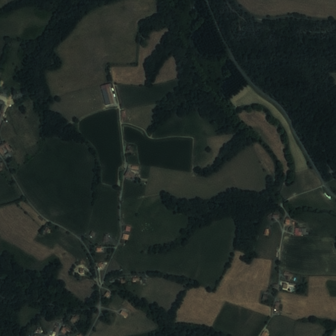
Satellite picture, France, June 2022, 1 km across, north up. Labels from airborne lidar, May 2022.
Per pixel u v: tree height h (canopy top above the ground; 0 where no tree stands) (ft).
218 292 0
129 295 38
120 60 0
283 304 0
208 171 72
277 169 47
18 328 31
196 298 0
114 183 0
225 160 59
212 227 0
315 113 56
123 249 0
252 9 0
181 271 0
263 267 0
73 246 0
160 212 0
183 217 0
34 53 88
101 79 0
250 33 52
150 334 41
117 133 0
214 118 67
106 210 0
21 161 0
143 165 0
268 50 85
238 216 86
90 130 0
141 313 0
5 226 0
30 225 0
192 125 0
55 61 79
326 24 59
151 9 0
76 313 23
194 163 0
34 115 0
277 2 0
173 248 48
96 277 27
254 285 0
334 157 82
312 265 0
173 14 71
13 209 0
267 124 0
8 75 0
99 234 0
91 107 0
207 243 0
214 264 0
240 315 0
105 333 0
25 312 0
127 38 0
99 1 64
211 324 0
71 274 43
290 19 37
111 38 0
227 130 79
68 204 0
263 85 74
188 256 0
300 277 0
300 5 0
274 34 63
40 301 38
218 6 62
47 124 87
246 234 78
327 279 0
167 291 0
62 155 0
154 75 70
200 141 0
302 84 43
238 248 55
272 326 0
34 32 0
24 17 0
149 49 0
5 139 0
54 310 34
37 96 94
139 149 0
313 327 0
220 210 109
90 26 0
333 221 0
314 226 0
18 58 0
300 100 81
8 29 0
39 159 0
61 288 66
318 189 0
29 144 0
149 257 0
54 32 77
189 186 0
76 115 0
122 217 0
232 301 0
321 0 0
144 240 0
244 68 39
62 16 91
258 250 0
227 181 0
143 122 0
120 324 0
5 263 95
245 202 101
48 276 66
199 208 112
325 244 0
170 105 79
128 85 0
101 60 0
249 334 0
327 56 47
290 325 0
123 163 0
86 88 0
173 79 0
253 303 0
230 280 0
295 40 102
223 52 107
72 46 0
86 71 0
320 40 25
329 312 0
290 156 66
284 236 0
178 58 68
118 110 0
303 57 31
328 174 63
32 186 0
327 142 76
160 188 0
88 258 20
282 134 37
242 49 86
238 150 65
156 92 0
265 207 96
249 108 64
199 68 87
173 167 0
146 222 0
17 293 72
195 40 84
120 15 0
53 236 0
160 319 73
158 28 70
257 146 0
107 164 0
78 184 0
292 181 55
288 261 0
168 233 0
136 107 0
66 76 0
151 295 0
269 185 60
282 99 74
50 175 0
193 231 52
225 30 55
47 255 0
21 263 0
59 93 0
